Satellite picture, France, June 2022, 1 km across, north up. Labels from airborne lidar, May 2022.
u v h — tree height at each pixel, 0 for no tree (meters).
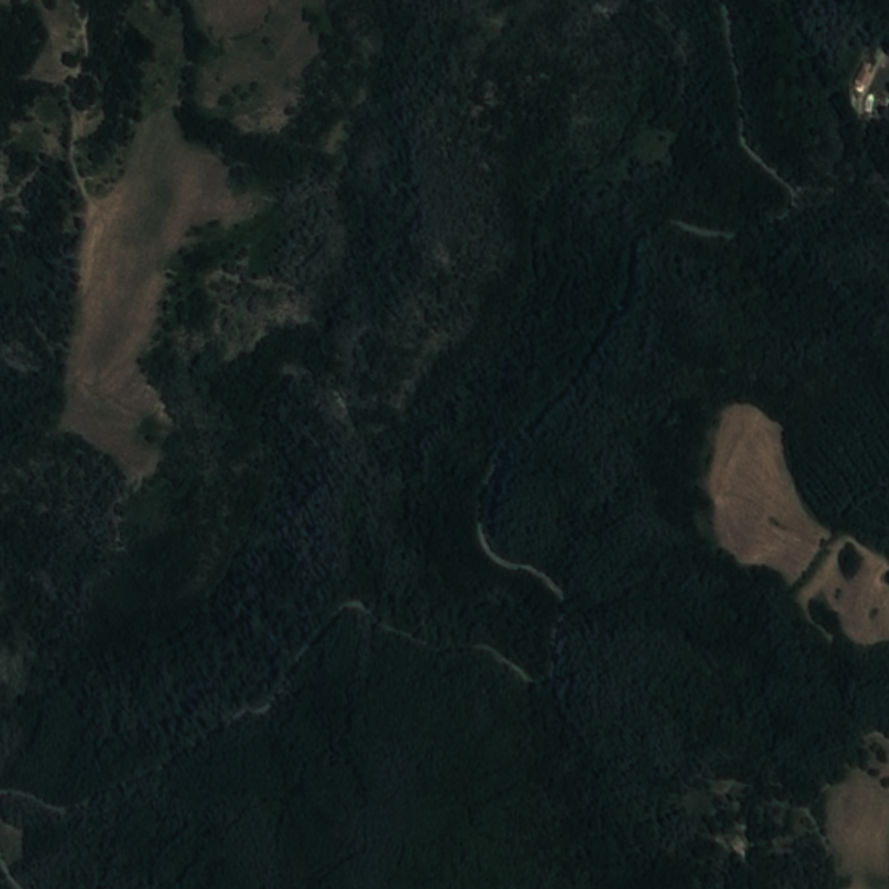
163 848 23
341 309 12
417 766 10
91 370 0
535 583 19
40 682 8
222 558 10
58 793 16
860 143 7
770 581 22
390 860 14
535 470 23
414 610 24
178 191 0
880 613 0
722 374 13
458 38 12
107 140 12
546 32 5
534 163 25
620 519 18
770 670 22
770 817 14
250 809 19
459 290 8
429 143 14
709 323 18
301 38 0
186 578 11
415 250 8
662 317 20
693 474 18
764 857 15
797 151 14
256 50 0
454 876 19
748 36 14
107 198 0
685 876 18
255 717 15
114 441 0
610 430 18
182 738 20
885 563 0
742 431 0
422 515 17
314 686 10
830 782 10
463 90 13
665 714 19
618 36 13
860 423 13
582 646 21
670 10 8
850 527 12
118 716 9
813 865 10
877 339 12
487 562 10
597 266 11
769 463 0
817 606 9
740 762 13
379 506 19
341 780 19
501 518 24
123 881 21
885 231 16
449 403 13
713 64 8
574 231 8
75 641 10
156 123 0
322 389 15
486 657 20
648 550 17
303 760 18
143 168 0
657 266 19
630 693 17
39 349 9
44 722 19
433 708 18
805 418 16
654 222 11
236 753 21
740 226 7
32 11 11
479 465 11
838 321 20
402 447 25
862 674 12
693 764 14
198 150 0
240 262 21
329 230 19
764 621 17
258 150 9
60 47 0
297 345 14
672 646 21
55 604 8
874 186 8
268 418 14
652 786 17
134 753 16
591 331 15
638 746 16
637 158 11
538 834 19
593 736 16
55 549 6
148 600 10
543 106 15
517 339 12
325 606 17
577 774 18
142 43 12
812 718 28
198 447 7
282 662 14
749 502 0
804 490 16
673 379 16
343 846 16
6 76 12
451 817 20
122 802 16
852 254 19
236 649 6
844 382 17
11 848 0
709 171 14
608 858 20
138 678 15
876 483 13
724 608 20
